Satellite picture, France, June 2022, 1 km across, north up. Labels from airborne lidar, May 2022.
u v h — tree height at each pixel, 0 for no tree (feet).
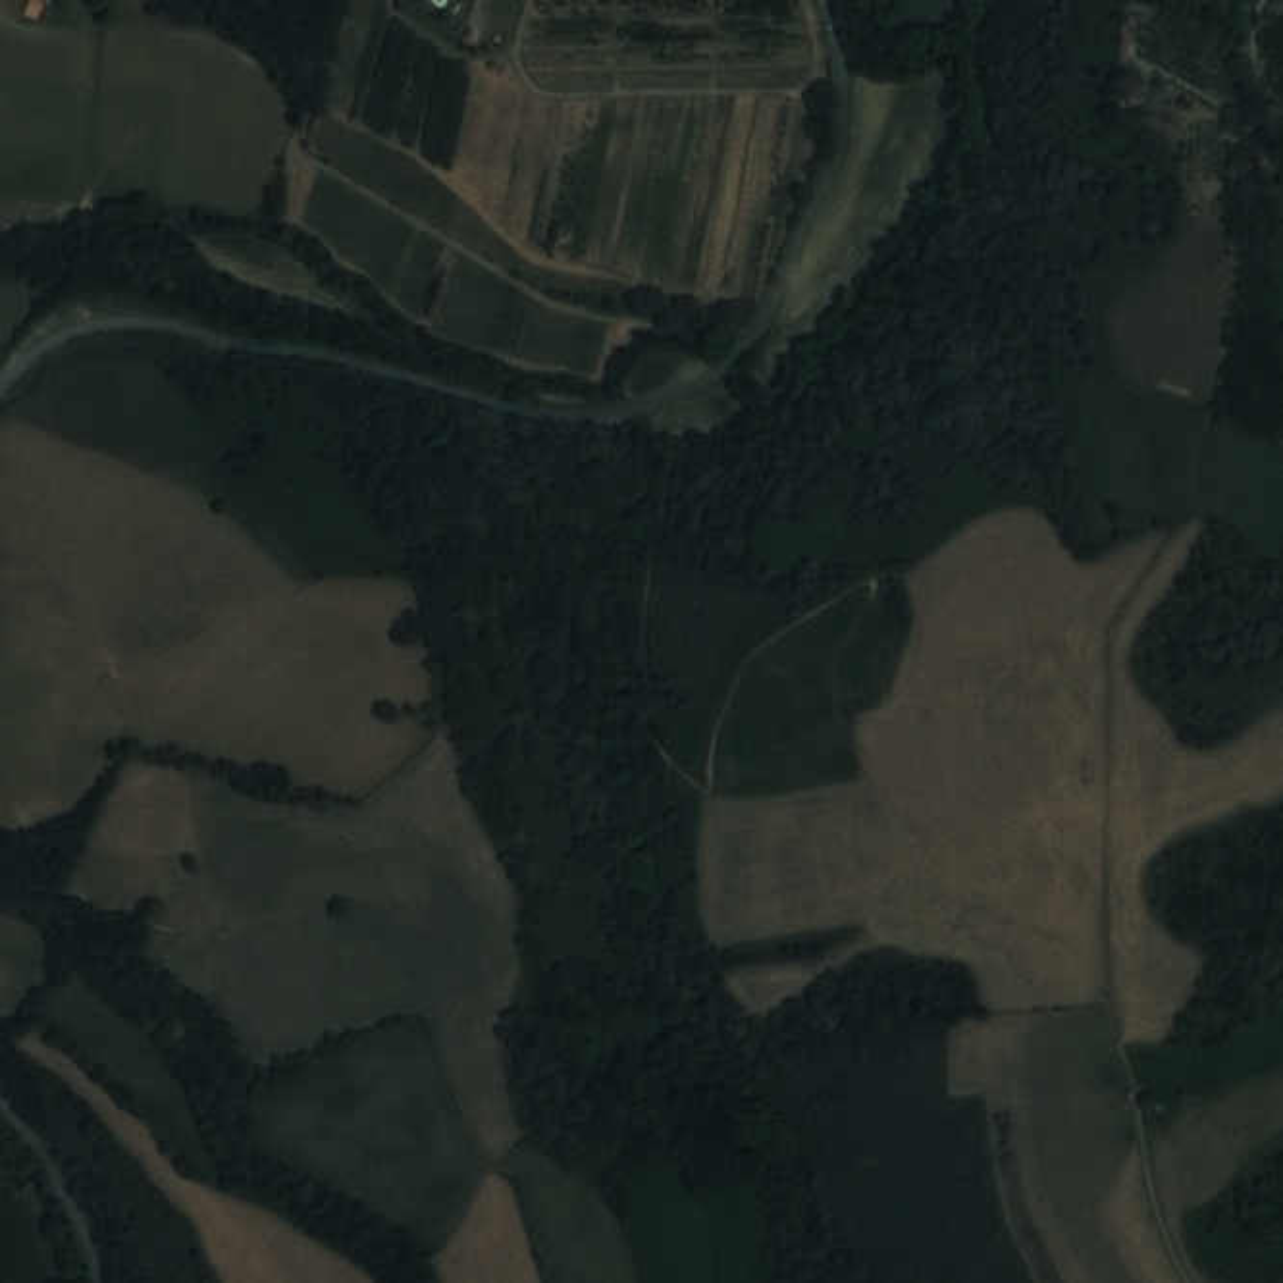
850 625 0
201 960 0
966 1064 0
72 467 0
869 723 0
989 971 0
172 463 0
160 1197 29
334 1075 0
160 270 78
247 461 32
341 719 0
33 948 0
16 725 0
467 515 67
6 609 0
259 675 0
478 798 24
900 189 0
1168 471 0
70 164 0
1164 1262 0
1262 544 0
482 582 50
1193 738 31
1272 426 45
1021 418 52
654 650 21
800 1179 36
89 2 43
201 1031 62
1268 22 27
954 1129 20
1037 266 30
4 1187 0
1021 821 0
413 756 0
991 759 0
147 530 0
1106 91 38
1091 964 0
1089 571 0
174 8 68
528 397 37
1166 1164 0
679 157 0
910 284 106
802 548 0
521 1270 0
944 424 39
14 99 0
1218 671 27
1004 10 68
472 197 0
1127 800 0
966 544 0
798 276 0
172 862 0
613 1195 28
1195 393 0
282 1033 0
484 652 36
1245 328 36
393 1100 0
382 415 58
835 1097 21
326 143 0
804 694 0
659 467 44
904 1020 26
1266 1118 0
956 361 55
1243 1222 47
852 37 67
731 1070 58
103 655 0
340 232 0
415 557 30
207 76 0
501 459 63
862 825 0
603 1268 0
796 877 0
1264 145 41
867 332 78
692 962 33
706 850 0
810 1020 60
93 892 0
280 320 61
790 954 33
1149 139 31
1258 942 29
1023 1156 0
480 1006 0
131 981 77
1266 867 37
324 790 42
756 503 39
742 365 57
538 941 30
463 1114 0
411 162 0
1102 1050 0
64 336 0
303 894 0
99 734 0
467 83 20
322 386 32
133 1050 0
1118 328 0
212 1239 0
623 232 0
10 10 0
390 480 56
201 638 0
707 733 0
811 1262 33
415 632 50
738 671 0
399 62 22
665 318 93
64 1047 40
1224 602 40
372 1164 0
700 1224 0
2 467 0
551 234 25
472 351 27
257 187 0
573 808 43
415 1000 0
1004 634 0
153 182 0
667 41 30
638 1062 48
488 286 0
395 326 48
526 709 48
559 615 46
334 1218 84
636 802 83
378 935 0
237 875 0
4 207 0
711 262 0
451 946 0
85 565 0
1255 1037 0
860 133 0
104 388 0
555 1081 69
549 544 56
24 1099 52
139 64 0
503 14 0
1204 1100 0
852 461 24
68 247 90
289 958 0
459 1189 0
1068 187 45
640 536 47
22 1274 0
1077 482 35
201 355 20
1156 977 0
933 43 85
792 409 35
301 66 66
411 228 0
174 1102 0
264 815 0
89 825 42
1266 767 0
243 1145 51
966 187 75
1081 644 0
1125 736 0
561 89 0
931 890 0
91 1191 52
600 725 58
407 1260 53
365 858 0
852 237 0
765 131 0
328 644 0
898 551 0
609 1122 60
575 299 34
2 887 77
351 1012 0
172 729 0
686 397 0
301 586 0
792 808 0
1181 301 0
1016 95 37
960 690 0
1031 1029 0
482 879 0
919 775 0
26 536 0
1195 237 0
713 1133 71
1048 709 0
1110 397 0
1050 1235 0
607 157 0
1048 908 0
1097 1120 0
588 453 75
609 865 39
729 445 71
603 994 58
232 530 0
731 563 41
